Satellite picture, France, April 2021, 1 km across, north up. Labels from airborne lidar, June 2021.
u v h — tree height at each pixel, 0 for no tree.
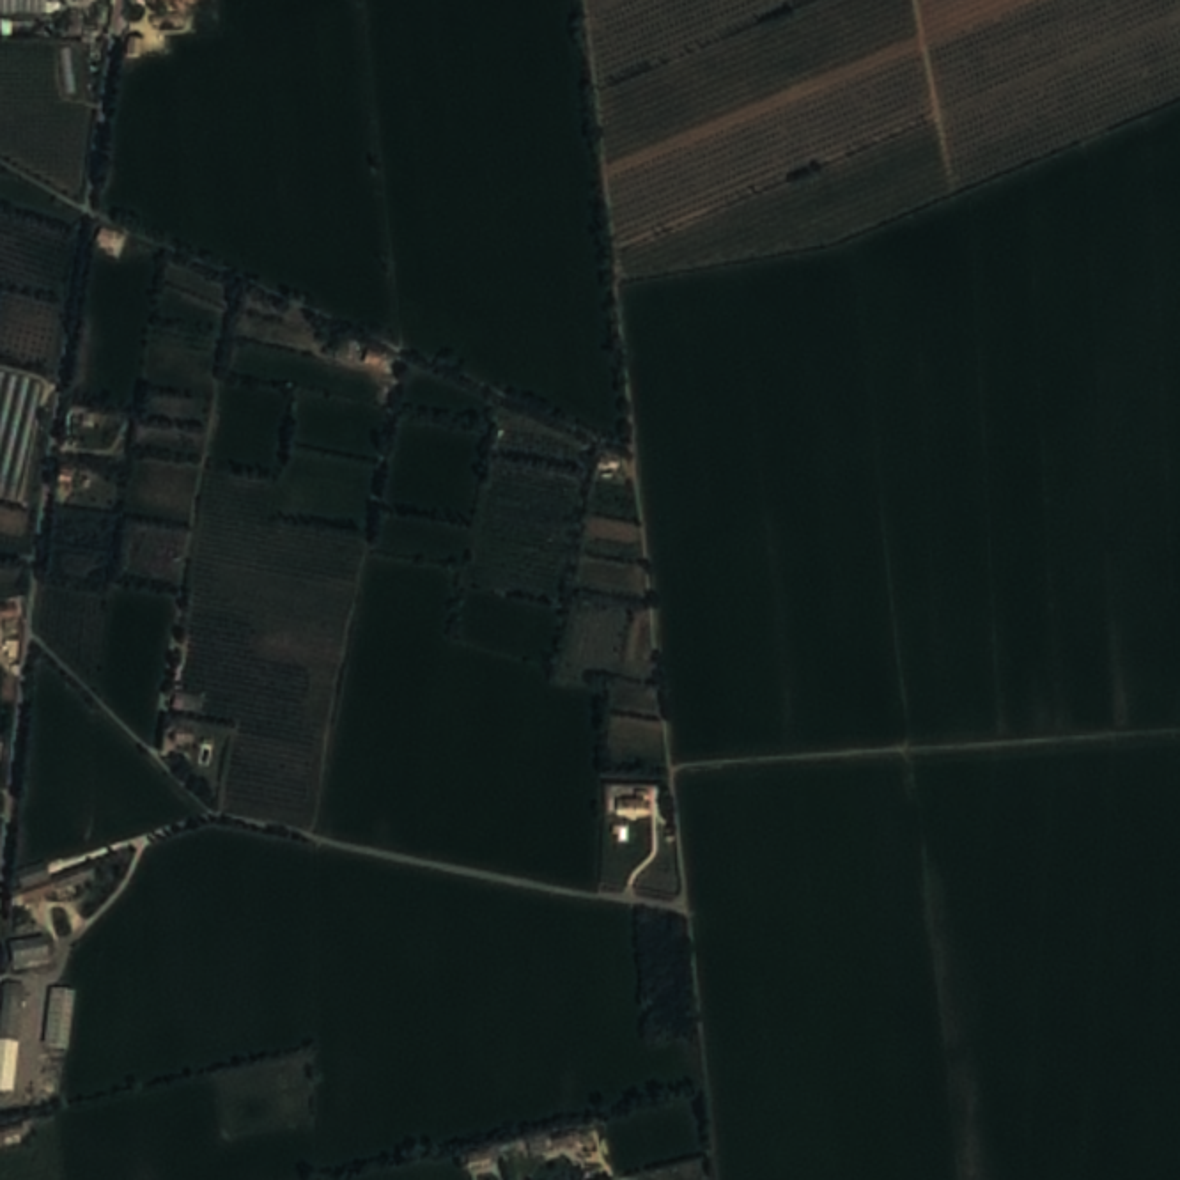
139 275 0
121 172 0
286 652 0
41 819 0
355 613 0
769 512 0
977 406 0
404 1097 0
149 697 0
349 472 0
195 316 0
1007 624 0
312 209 0
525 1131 12
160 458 6
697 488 0
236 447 0
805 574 0
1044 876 0
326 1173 7
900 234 0
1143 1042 0
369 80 0
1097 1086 0
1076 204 0
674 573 0
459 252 0
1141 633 0
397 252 0
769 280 0
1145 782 0
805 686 0
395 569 0
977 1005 0
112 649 0
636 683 7
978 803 0
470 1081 0
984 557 0
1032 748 0
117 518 7
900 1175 0
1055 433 0
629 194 0
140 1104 0
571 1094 0
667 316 0
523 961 0
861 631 0
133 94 0
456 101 0
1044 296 0
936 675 0
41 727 0
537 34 0
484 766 0
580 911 0
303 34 0
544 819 0
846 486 0
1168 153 0
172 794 0
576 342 0
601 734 9
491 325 0
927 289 0
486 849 0
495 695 0
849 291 0
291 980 0
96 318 0
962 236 0
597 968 0
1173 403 0
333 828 0
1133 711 0
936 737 0
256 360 0
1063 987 0
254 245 0
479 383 7
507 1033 0
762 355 0
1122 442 0
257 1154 0
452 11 0
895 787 0
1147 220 0
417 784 0
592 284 0
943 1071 0
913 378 0
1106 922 0
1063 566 0
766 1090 0
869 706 0
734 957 0
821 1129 0
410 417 12
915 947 0
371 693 0
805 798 0
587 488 15
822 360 0
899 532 0
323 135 0
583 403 0
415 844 0
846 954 0
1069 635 0
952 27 0
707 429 0
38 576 7
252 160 0
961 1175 0
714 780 0
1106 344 0
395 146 0
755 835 0
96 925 0
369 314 0
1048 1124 0
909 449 0
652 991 7
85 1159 0
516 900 0
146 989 0
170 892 0
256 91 0
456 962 0
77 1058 0
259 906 0
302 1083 0
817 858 0
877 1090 0
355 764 0
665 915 8
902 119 0
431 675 0
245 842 0
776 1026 0
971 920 0
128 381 0
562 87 0
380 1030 0
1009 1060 0
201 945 0
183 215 0
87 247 11
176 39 0
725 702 0
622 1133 0
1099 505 0
